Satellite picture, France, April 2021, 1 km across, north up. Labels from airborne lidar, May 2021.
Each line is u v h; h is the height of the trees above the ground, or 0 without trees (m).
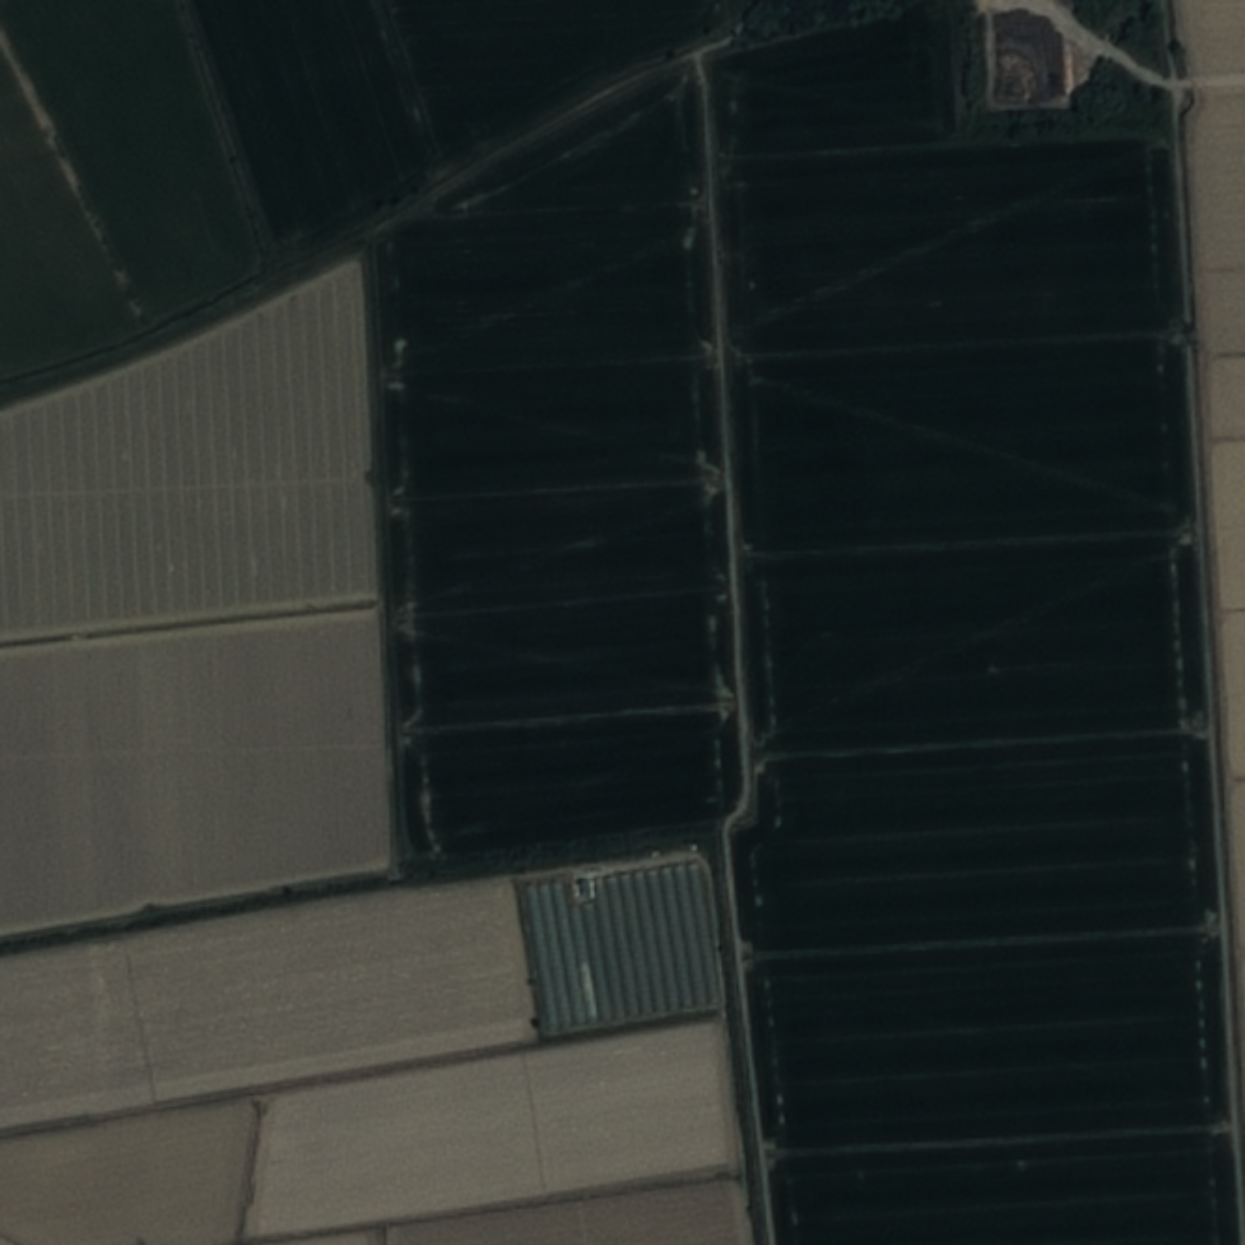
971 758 0
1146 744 0
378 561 0
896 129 0
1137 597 0
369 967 0
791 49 0
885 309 0
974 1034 0
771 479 0
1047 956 0
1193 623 0
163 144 0
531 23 0
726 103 0
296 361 0
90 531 0
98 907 0
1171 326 0
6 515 0
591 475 0
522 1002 0
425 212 0
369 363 0
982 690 0
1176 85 0
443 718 0
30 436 0
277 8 0
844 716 0
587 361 0
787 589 0
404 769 0
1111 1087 0
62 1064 0
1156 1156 0
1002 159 0
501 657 0
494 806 0
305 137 0
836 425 0
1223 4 0
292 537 0
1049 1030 0
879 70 0
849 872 0
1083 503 0
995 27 0
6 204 0
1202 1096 0
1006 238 0
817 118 0
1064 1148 0
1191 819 0
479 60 0
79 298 0
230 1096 0
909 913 0
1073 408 0
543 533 0
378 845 0
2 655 0
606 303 0
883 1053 0
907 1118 0
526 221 0
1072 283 0
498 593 0
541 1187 0
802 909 0
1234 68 0
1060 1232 0
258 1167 0
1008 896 0
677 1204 0
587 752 0
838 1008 0
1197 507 0
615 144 0
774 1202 0
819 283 0
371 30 0
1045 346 0
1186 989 0
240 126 0
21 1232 0
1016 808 0
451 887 0
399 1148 0
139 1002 0
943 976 0
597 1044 0
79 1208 0
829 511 0
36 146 0
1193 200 0
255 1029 0
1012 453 0
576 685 0
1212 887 0
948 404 0
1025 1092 0
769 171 0
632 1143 0
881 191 0
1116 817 0
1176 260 0
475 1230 0
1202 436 0
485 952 0
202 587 0
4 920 0
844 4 9
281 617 0
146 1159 0
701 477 0
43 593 0
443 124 0
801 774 0
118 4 0
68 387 0
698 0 0
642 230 0
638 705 0
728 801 0
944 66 0
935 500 0
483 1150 0
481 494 0
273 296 0
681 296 0
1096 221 0
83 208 0
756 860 0
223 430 0
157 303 0
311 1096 0
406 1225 0
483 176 0
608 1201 0
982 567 0
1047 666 0
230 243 0
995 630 0
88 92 0
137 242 0
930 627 0
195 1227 0
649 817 0
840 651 0
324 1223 0
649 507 0
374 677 0
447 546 0
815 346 0
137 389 0
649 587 0
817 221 0
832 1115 0
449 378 0
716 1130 0
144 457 0
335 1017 0
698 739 0
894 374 0
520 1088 0
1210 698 0
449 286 0
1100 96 15
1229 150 0
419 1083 0
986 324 0
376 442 0
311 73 0
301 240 0
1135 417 0
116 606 0
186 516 0
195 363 0
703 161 0
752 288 0
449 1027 0
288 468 0
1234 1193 0
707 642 0
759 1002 0
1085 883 0
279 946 0
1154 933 0
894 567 0
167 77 0
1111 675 0
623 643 0
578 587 0
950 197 0
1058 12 0
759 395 0
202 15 0
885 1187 0
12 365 0
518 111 0
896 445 0
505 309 0
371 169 0
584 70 0
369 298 0
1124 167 0
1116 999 0
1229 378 0
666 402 0
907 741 0
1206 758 0
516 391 0
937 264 0
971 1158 0
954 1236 0
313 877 0
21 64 0
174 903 0
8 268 0
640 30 0
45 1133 0
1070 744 0
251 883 0
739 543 0
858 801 0
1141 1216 0
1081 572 0
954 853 0
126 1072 0
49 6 0
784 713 0
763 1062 0
